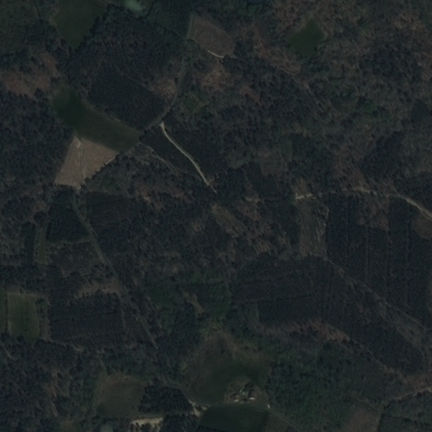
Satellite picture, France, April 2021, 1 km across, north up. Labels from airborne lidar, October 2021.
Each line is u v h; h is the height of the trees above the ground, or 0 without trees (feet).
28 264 42
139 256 48
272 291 51
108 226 32
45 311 20
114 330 56
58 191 46
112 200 39
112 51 78
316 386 76
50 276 59
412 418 85
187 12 44
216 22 83
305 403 58
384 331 64
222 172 37
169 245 73
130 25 83
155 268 42
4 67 71
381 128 49
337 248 57
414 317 63
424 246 63
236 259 33
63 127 47
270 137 72
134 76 62
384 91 71
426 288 66
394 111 26
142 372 36
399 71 52
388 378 31
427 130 31
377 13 18
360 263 59
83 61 84
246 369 0
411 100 48
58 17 0
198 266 52
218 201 81
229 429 0
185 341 52
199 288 69
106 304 41
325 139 52
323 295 57
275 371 78
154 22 40
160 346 79
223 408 0
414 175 49
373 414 53
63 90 0
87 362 50
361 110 89
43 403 56
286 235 47
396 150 64
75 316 58
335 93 77
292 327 30
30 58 58
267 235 38
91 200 38
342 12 63
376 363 23
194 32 0
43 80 0
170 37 83
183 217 91
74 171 0
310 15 40
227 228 41
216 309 66
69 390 25
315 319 50
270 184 50
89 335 52
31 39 24
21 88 0
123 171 37
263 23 35
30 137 82
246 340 69
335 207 54
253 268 69
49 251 27
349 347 76
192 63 53
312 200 26
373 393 24
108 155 0
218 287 71
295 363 63
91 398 67
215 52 0
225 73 23
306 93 48
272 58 30
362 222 31
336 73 39
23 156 67
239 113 81
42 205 64
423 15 65
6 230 61
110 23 62
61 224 59
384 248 56
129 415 0
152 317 46
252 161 39
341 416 60
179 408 48
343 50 55
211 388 0
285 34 27
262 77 32
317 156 79
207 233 50
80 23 0
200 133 50
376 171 50
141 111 48
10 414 70
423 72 83
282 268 57
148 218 75
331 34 34
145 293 43
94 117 0
